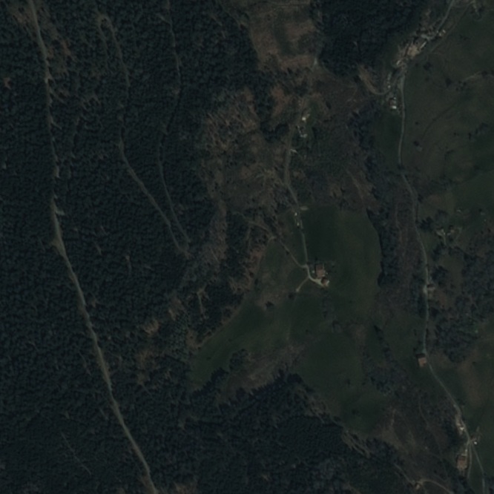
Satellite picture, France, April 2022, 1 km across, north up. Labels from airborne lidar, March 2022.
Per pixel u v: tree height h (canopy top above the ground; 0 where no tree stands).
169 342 14
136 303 23
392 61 0
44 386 23
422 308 21
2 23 22
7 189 23
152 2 24
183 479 30
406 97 0
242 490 15
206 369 0
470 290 13
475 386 0
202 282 22
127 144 24
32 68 20
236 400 0
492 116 0
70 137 26
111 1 11
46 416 15
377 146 0
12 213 28
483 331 0
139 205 23
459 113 0
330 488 18
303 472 16
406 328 0
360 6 22
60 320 20
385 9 25
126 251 18
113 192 24
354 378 0
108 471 13
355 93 0
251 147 0
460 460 0
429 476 0
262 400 30
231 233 7
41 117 26
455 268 0
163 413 22
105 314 30
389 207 27
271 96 13
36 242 20
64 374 34
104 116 22
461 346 15
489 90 0
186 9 30
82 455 12
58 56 22
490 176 0
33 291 25
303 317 0
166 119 22
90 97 24
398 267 17
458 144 0
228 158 9
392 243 23
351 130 19
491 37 0
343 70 32
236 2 0
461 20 0
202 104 34
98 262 31
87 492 14
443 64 0
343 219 0
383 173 21
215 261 31
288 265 0
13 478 17
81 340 24
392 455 30
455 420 12
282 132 22
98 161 17
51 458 20
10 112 29
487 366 0
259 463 16
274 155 0
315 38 25
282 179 0
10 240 20
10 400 29
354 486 7
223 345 0
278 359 0
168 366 24
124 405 23
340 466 23
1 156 17
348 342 0
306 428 20
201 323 10
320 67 0
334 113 35
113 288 26
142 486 17
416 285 18
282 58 0
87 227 22
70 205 22
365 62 20
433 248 0
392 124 0
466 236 0
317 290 0
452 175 0
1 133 27
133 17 28
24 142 27
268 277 0
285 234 6
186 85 24
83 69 24
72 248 23
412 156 0
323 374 0
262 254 0
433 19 0
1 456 16
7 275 26
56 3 19
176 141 22
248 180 0
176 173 24
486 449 0
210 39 26
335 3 20
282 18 0
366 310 0
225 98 31
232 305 13
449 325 25
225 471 10
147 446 21
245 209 0
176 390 24
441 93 0
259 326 0
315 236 0
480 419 0
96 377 18
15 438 15
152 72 19
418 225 10
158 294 20
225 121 30
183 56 30
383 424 0
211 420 31
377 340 0
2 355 20
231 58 27
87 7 26
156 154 21
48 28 0
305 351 0
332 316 19
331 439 16
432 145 0
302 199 11
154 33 15
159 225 22
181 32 20
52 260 23
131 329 26
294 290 0
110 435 17
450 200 0
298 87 22
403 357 0
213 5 29
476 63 0
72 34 22
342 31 25
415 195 0
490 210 0
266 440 9
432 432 0
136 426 16
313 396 22
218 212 24
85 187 23
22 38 27
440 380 0
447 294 7
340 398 0
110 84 22
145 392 24
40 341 19
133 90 13
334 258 0
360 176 0
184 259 13
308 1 23
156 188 18
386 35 28
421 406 0
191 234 24
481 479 0
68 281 24
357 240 0
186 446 21
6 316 26
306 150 9
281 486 17
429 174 0
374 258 0
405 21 33
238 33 25
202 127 27
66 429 11
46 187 26
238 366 18
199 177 16
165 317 32
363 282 0
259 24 0
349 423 0
